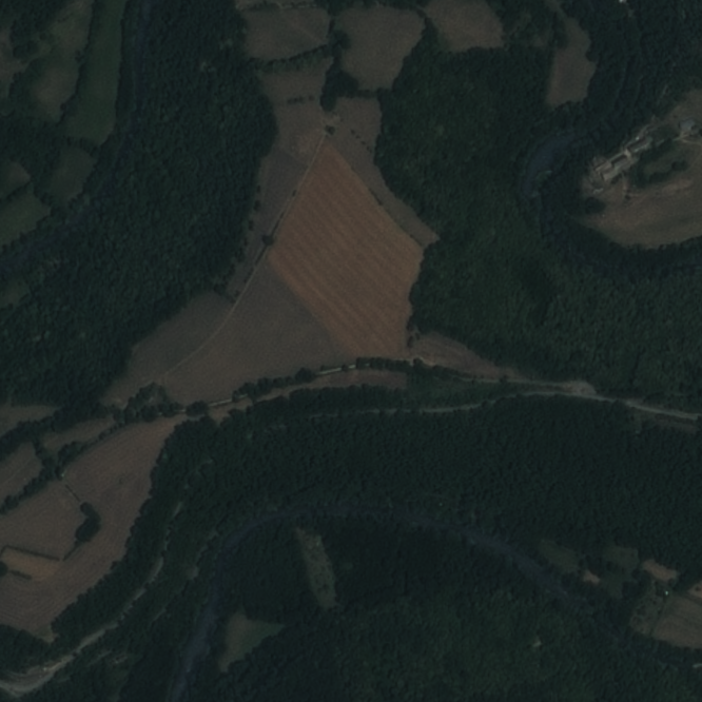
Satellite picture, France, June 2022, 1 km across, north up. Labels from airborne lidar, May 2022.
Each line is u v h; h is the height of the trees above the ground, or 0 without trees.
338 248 0
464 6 0
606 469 19
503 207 20
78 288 22
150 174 14
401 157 23
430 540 20
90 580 0
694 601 0
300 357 0
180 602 26
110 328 11
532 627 11
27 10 23
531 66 14
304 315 0
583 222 0
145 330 17
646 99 8
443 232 12
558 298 18
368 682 14
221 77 11
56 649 10
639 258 21
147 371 0
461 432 14
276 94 0
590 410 15
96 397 18
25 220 0
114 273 14
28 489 13
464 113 17
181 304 18
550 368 13
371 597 21
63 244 26
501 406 18
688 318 19
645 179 8
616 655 16
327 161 0
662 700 16
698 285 25
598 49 22
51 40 0
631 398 13
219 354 0
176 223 14
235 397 9
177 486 20
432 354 0
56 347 17
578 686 12
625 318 18
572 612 23
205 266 18
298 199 0
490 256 18
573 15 25
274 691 22
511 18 12
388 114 18
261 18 0
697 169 0
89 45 9
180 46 22
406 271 0
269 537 15
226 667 0
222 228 18
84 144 13
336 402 18
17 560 0
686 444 19
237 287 0
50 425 13
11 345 8
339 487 21
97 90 0
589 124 24
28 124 23
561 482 21
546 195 20
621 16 22
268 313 0
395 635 11
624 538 21
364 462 12
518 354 13
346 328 0
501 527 26
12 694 0
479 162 20
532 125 14
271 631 0
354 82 22
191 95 20
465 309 20
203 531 9
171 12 37
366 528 17
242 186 14
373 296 0
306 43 0
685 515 24
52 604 0
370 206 0
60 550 0
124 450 0
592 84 12
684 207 0
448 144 20
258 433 18
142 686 23
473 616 19
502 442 25
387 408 13
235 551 13
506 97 16
